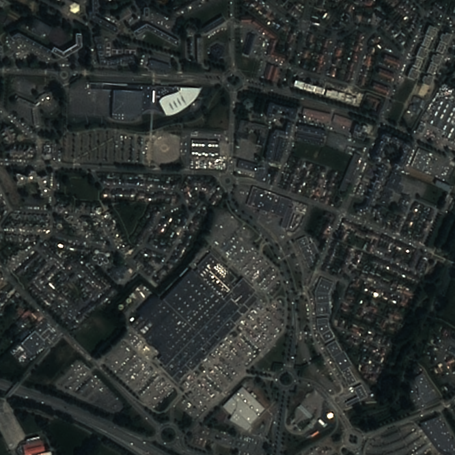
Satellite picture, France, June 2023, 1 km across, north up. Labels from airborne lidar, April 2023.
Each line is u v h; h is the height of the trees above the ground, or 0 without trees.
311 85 0
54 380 0
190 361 0
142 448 0
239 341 0
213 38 0
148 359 0
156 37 0
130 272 0
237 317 0
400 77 0
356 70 0
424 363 0
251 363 0
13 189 0
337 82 0
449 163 0
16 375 6
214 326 0
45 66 12
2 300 0
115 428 0
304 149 0
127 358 0
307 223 0
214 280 0
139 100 0
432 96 0
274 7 0
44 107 0
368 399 0
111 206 12
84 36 14
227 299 0
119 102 0
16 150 0
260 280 0
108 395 0
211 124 0
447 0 0
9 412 0
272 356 0
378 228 0
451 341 0
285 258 0
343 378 0
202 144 0
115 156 0
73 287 0
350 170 0
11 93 0
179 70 0
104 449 0
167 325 0
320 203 0
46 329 0
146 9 0
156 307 0
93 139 0
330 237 0
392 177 0
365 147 0
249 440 0
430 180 0
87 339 0
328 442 0
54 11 0
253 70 0
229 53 0
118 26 0
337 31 0
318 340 0
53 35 0
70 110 0
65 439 0
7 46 0
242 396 0
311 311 0
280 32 0
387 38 0
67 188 0
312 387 0
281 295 0
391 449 0
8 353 7
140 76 0
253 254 0
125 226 0
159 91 0
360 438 0
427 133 0
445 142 0
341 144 0
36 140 0
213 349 0
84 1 0
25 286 0
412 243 0
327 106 0
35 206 0
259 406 0
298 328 0
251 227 0
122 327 6
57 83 0
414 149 0
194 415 0
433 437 0
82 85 0
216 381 0
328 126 0
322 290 0
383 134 0
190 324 0
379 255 0
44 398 0
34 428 0
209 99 0
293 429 0
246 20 0
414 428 0
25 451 0
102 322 0
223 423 0
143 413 0
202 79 0
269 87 0
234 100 0
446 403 0
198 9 0
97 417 0
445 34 0
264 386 14
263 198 0
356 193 0
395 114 0
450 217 12
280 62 0
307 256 0
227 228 0
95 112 0
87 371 0
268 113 0
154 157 0
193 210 9
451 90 0
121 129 0
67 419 13
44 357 0
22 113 0
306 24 0
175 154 0
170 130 0
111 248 0
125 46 8
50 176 0
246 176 0
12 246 10
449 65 17
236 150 0
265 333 0
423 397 0
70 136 0
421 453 0
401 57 0
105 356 0
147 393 0
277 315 0
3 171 0
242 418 0
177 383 0
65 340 0
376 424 13
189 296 0
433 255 0
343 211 0
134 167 12
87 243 0
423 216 0
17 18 0
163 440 0
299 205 0
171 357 0
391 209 14
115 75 0
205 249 0
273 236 0
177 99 0
